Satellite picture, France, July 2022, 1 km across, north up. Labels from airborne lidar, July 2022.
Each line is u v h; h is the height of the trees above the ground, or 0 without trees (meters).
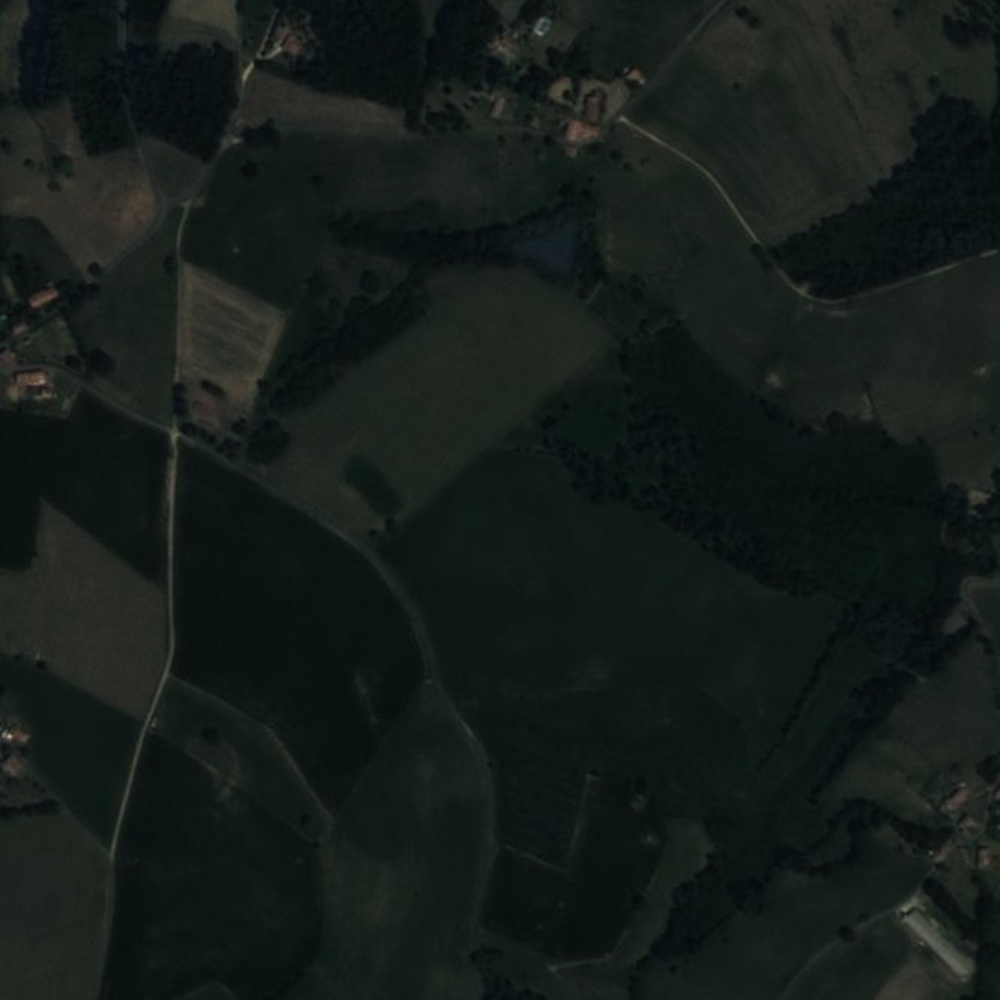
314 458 0
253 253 0
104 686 0
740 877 0
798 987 0
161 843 0
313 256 0
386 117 0
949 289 0
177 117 20
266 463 0
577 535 0
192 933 0
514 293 0
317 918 0
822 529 6
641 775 0
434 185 0
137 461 0
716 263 0
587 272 9
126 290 0
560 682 0
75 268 0
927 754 0
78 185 0
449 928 0
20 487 0
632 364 22
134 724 0
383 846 0
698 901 21
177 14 0
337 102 0
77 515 0
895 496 6
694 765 0
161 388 0
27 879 0
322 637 0
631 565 0
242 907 0
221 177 0
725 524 25
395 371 0
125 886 0
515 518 0
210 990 0
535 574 0
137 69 20
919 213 9
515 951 0
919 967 0
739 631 0
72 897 0
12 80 0
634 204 0
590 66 7
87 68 0
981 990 8
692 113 0
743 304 0
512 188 0
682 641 0
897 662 15
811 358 0
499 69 29
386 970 0
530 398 0
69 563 0
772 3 0
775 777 0
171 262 14
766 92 0
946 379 0
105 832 0
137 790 0
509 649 0
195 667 0
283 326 0
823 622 0
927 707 0
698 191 0
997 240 28
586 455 19
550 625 0
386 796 0
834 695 0
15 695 0
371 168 0
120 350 0
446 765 0
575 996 0
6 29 0
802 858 23
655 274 0
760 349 0
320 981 0
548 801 0
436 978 0
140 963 0
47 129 0
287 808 0
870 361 0
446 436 0
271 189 0
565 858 0
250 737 0
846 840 0
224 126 12
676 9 0
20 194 0
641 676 0
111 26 0
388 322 8
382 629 0
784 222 0
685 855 0
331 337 8
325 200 0
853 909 0
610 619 0
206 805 0
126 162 0
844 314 0
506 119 0
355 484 0
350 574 0
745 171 0
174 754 0
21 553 0
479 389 0
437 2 0
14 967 0
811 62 0
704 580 0
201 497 0
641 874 0
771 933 0
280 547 0
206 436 17
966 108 23
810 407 0
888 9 0
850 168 0
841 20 0
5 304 10
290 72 10
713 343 0
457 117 17
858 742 13
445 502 0
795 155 0
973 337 0
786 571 20
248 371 0
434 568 0
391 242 8
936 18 0
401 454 0
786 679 0
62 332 0
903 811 0
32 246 0
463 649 0
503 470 0
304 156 0
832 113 0
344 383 0
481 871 0
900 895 0
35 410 0
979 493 0
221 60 17
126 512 0
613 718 0
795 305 0
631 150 0
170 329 0
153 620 0
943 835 7
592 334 0
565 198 14
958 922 16
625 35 0
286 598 0
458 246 24
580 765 0
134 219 0
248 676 0
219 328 0
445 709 0
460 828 0
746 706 0
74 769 0
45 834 0
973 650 0
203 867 0
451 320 0
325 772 0
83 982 0
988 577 15
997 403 0
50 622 0
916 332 0
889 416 0
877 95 0
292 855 0
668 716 0
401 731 0
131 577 0
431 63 19
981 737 0
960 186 20
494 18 28
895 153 0
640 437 19
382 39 21
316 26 16
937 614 17
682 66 0
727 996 0
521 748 0
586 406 0
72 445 0
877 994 0
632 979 6
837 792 0
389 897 0
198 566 0
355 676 0
